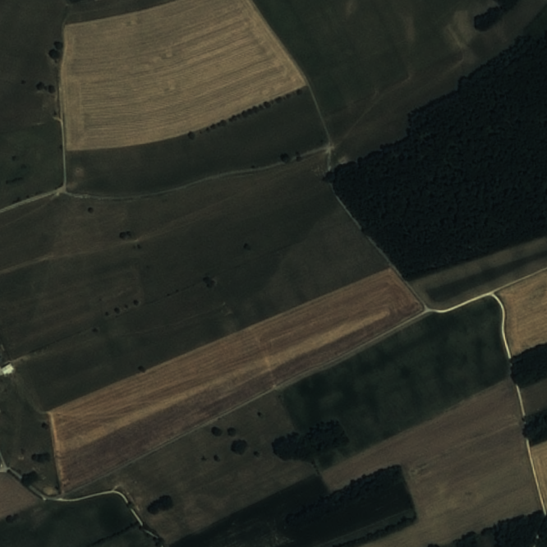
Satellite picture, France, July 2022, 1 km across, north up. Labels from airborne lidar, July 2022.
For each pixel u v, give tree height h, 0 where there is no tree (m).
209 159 0
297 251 0
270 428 0
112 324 0
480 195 24
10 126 0
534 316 0
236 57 0
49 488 0
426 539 0
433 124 23
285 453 21
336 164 0
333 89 0
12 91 0
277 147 0
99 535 0
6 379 0
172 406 0
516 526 17
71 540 0
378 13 0
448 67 0
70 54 0
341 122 0
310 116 0
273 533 0
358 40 0
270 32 0
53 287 0
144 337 0
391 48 0
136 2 0
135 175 0
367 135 0
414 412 0
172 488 0
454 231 18
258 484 0
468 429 0
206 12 0
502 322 0
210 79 0
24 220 0
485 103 22
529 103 16
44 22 0
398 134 0
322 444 20
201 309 0
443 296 0
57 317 0
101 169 0
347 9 0
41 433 0
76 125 0
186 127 0
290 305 0
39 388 0
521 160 20
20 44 0
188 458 0
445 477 0
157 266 0
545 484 0
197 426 0
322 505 17
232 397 0
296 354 0
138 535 0
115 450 0
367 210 16
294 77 0
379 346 0
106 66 0
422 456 0
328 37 0
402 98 0
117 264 0
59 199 0
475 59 0
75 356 0
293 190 0
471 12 0
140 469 0
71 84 0
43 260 0
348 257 0
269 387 0
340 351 0
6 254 0
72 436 0
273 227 0
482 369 0
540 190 21
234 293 0
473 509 0
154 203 0
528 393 0
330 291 0
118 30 0
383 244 13
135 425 0
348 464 0
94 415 0
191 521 0
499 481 0
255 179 0
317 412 0
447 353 0
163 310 0
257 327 0
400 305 0
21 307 0
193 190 0
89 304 0
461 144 22
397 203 21
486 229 22
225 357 0
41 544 0
